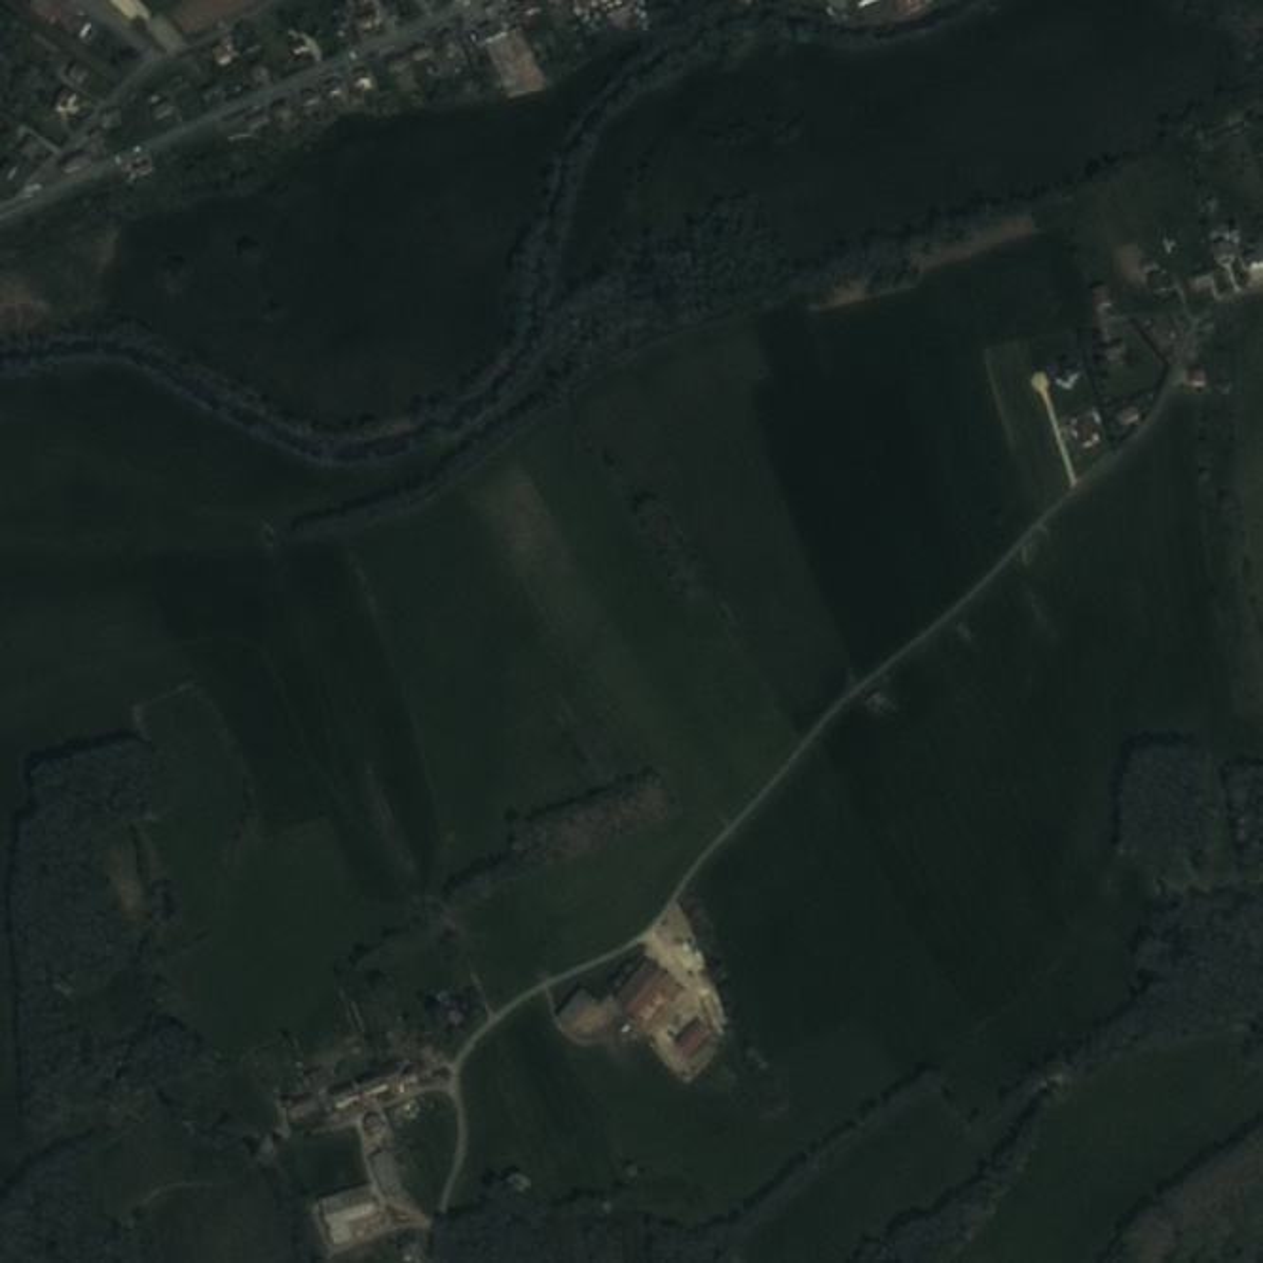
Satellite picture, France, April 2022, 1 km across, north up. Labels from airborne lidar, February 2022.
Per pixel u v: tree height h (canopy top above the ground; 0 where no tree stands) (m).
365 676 0
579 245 0
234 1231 0
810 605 0
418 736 0
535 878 0
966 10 0
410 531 0
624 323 18
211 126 0
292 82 0
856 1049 0
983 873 0
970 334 0
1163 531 0
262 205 0
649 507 14
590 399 0
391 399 0
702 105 0
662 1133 0
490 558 0
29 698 0
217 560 0
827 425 0
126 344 15
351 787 0
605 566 0
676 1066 0
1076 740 0
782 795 0
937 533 0
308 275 0
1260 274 0
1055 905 0
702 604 0
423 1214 0
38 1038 17
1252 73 12
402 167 0
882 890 0
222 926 0
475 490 0
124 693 0
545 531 0
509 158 0
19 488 0
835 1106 0
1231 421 0
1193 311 0
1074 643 0
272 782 0
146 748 16
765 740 0
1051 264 0
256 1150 0
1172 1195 18
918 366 0
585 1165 0
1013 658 0
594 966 0
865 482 0
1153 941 21
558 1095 0
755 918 0
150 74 0
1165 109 0
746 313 7
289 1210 17
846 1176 0
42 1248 23
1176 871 27
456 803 0
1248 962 21
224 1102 0
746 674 0
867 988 0
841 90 0
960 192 0
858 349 0
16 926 15
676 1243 17
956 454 0
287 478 0
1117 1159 0
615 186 0
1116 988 0
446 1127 0
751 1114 0
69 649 0
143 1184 0
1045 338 0
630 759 0
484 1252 21
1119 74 0
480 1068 0
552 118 0
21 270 0
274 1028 0
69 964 22
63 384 0
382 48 0
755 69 0
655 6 12
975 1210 23
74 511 0
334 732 0
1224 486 0
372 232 0
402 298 0
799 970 0
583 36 7
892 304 0
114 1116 0
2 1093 0
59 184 0
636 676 0
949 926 0
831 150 0
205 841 0
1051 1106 17
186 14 0
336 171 0
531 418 18
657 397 0
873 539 0
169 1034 21
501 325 0
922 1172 0
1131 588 0
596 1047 0
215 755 0
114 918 23
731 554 0
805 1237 0
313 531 16
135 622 0
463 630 0
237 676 0
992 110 0
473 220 0
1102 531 0
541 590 0
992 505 0
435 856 0
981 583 0
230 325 0
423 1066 7
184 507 0
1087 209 0
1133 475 0
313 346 0
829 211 0
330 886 0
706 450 0
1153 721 0
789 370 0
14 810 0
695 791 0
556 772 0
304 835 0
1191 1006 22
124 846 0
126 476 0
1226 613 0
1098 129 0
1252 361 0
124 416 0
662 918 0
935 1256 24
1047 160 0
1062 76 0
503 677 0
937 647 0
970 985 0
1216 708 0
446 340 0
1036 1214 0
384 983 19
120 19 0
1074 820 0
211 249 0
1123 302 0
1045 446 0
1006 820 0
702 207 0
